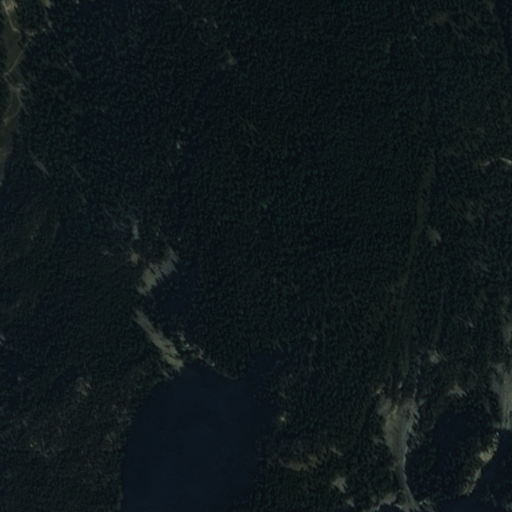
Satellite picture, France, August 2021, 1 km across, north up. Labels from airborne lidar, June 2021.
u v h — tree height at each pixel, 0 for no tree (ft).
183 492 0
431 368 21
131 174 45
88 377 27
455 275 44
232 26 58
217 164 54
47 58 71
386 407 0
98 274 42
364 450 24
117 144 49
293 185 87
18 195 40
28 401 44
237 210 57
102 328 46
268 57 85
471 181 71
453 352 52
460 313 31
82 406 38
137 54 24
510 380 0
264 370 39
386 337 61
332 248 41
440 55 55
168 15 61
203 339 49
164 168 71
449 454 56
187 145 20
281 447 38
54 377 41
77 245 40
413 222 72
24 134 52
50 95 51
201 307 59
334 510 55
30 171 60
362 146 59
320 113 56
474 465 40
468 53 32
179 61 58
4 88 56
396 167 67
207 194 51
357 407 67
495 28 89
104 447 42
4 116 55
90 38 74
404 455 0
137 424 38
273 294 56
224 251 36
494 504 31
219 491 26
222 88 55
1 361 47
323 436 39
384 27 58
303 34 75
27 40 74
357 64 61
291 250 43
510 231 39
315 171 83
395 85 77
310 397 58
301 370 55
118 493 49
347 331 61
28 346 40
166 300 28
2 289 43
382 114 61
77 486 38
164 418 51
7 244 48
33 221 39
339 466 52
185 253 47
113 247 36
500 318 30
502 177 58
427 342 26
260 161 67
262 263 51
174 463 0
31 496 44
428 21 49
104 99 51
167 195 56
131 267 29
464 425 36
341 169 57
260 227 26
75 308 43
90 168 69
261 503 43
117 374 51
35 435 24
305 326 51
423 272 27
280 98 51
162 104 45
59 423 38
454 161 29
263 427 56
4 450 35
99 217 33
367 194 69
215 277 49
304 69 67
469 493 0
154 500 0
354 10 81
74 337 39
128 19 42
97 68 79
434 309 40
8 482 31
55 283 46
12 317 37
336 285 33
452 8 58
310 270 39
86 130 33
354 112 70
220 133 50
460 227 85
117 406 38
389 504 0
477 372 36
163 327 21
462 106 66
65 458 40
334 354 49
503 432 0
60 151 37
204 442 0
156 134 33
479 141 66
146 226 42
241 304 37
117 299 49
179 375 22
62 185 34
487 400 50
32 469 33
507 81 66
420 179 84
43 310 51
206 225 34
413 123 77
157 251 43
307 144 35
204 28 27
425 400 30
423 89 41
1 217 24
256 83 55
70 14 87
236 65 32
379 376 52
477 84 53
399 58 65
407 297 26
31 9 70
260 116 68
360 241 43
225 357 62
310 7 59
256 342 55
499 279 58
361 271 47
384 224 72
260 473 22
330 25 63
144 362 27
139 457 23
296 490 51
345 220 60
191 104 63
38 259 46
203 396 0
